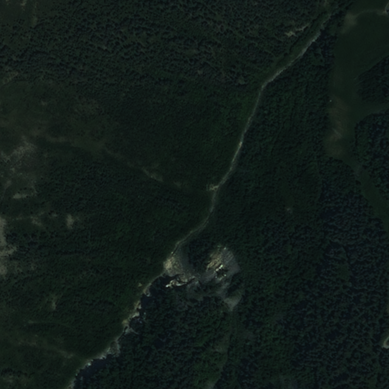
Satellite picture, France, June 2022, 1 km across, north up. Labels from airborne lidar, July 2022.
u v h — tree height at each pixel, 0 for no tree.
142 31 29
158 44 8
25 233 13
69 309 8
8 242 17
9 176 0
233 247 8
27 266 8
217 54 9
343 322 15
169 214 16
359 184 20
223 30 26
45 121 0
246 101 13
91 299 11
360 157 12
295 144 12
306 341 13
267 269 14
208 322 15
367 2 0
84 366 0
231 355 7
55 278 14
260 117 11
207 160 8
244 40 13
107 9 8
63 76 17
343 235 18
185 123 15
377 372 11
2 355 0
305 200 6
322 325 7
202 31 7
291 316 8
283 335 15
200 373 15
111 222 12
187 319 22
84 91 9
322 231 15
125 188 17
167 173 6
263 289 14
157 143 15
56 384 6
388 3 0
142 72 9
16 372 15
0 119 0
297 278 14
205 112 19
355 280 15
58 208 11
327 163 10
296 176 9
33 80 8
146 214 16
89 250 20
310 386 6
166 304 16
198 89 15
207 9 23
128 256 16
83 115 8
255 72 15
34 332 6
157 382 16
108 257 10
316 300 27
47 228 10
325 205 12
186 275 0
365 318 6
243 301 9
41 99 7
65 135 6
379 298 8
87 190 9
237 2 27
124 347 7
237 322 9
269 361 15
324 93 15
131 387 10
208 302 27
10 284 6
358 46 0
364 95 8
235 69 30
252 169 7
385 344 0
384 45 0
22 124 0
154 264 8
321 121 12
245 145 10
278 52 16
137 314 0
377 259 23
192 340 19
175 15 12
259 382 8
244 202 7
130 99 16
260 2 20
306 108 7
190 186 6
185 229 13
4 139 0
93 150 0
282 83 14
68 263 9
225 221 9
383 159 26
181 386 28
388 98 18
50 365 6
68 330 11
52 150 6
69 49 11
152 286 7
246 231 7
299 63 8
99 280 9
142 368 17
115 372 17
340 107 0
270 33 14
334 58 25
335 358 26
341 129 0
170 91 14
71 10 6
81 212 12
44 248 28
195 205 13
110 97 9
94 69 23
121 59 14
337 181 12
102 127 6
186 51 10
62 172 8
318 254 15
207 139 12
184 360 12
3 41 9
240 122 13
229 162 8
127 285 15
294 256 9
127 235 17
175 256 0
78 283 8
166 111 14
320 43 13
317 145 19
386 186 13
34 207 7
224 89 18
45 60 26
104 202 10
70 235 6
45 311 9
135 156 8
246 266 8
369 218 14
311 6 31
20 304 7
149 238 14
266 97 6
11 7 0
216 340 18
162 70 14
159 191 11
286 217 9
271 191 12
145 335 9
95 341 7
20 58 25
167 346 9
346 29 0
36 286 10
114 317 14
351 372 27
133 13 9
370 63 0
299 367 33
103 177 17
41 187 8
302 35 11
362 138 16
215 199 0
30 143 0
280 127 11
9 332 6
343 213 26
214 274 0
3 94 0
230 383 13
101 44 25
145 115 12
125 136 7
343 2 17
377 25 0
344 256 7
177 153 7
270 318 11
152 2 31
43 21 10
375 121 10
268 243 34
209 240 17
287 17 13
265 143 7
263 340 19
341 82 0
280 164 8
